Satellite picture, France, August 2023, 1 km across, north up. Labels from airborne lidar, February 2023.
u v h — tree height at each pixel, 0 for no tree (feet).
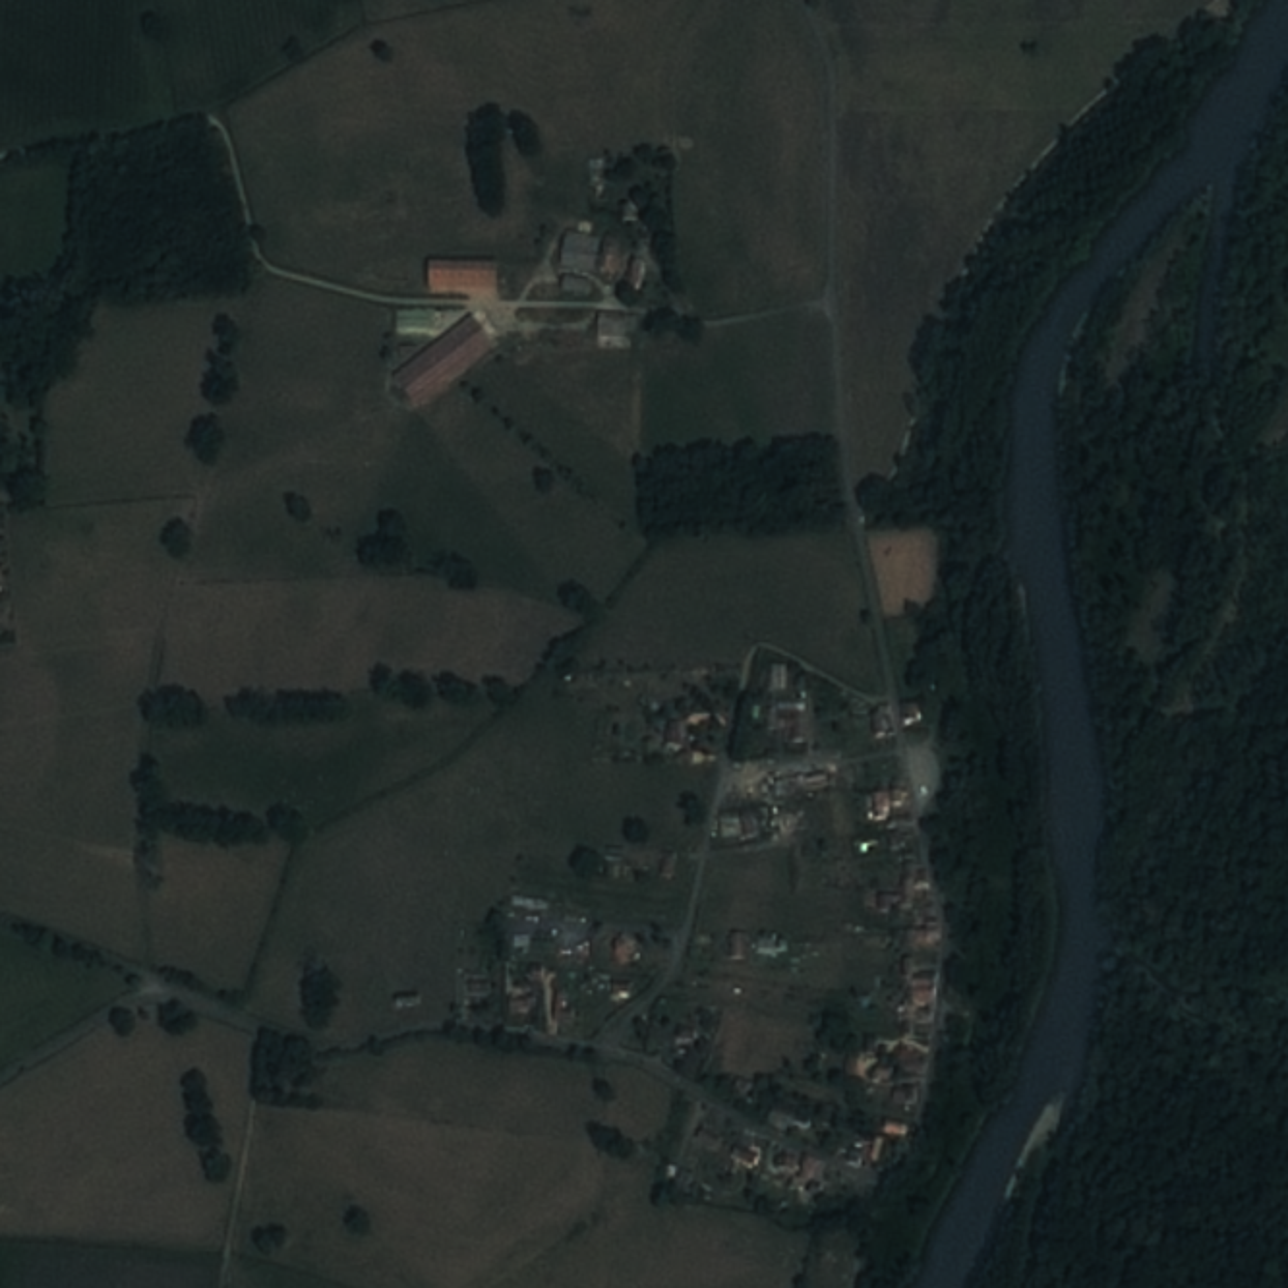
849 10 0
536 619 0
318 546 0
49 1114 0
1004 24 0
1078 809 0
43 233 0
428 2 0
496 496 0
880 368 0
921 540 0
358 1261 0
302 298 0
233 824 60
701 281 0
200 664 0
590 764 0
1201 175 0
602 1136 60
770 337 0
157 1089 0
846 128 0
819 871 0
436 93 0
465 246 0
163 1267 0
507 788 0
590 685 0
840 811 0
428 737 0
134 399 0
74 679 0
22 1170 0
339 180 0
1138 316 0
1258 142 31
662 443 0
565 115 0
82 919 0
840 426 0
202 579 0
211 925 0
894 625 0
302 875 0
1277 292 64
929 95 0
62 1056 0
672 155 26
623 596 0
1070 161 19
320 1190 0
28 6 0
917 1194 0
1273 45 0
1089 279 0
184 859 0
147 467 0
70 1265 0
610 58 0
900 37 0
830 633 0
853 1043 50
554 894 0
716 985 0
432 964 0
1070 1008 0
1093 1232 71
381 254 0
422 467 0
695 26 0
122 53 0
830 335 0
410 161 0
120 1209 0
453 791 0
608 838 0
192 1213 0
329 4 0
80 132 0
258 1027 0
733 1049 0
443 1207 0
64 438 0
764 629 0
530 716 0
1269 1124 60
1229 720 75
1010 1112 0
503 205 65
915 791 0
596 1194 0
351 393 0
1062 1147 57
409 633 0
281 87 0
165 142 39
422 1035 20
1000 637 76
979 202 0
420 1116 0
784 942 0
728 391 0
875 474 0
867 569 0
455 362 0
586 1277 0
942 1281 0
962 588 79
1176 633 22
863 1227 43
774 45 0
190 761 0
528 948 0
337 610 0
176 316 0
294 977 0
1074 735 0
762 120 0
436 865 0
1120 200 26
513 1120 0
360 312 0
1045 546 0
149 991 0
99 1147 0
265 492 0
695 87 0
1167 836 32
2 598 20
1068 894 0
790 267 0
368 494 0
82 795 0
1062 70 0
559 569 0
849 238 0
